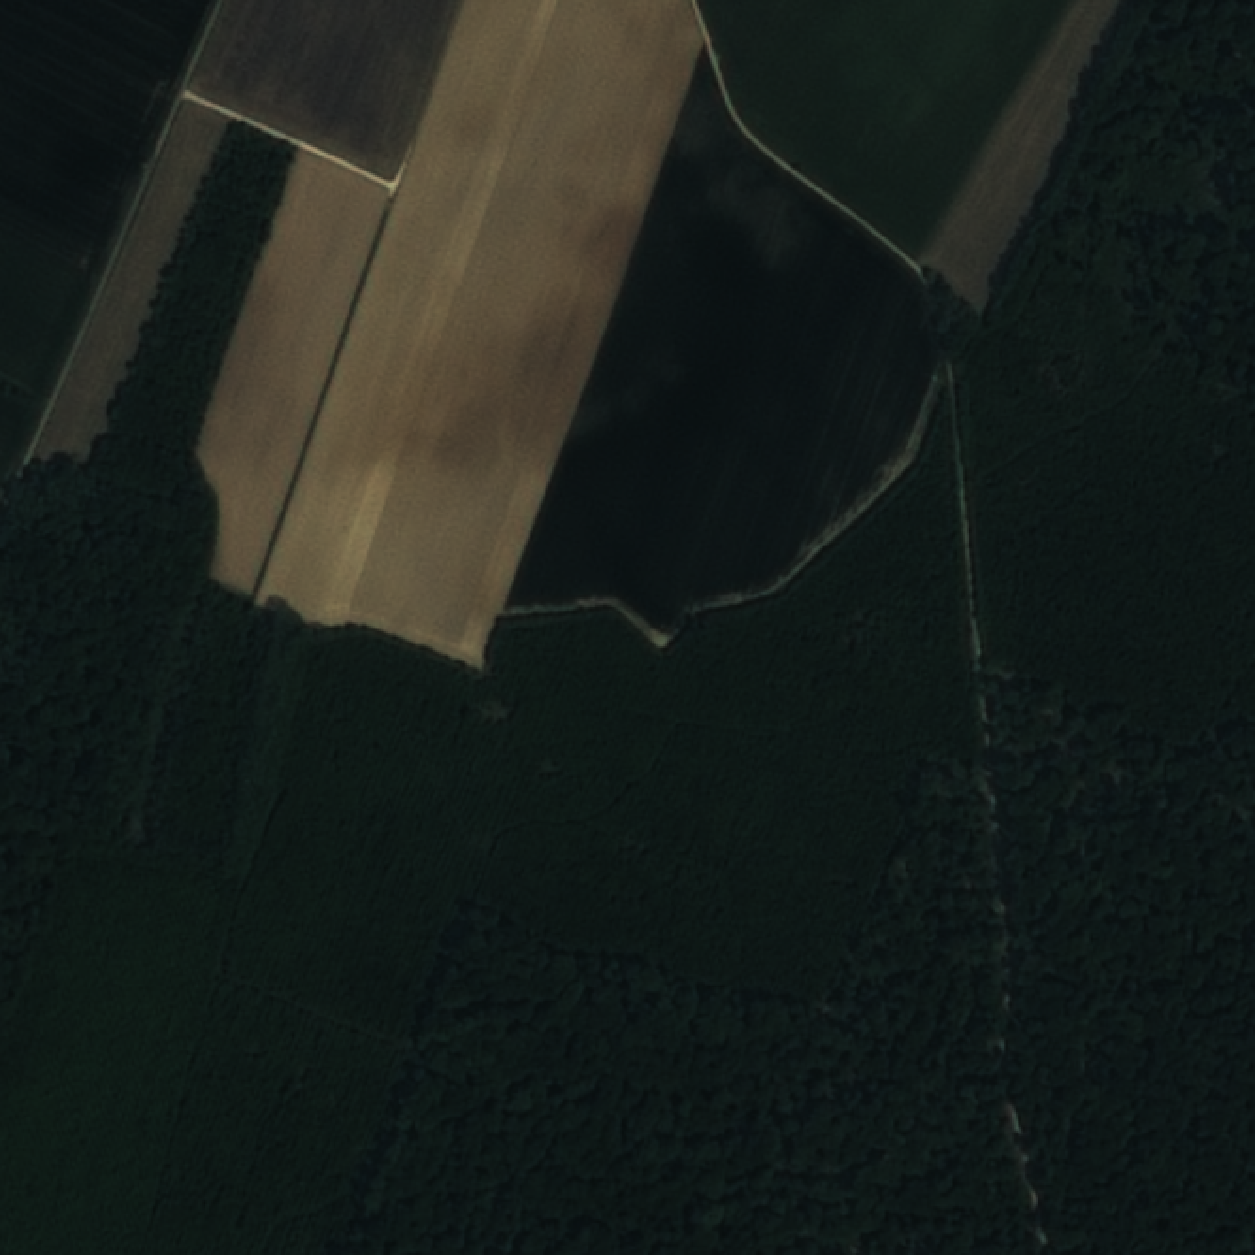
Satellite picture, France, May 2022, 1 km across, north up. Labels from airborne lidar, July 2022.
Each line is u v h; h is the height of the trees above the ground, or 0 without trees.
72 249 0
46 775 32
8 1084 8
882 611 7
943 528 8
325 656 6
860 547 10
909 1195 30
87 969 9
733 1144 27
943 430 8
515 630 7
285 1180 6
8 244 0
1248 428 10
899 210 0
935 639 10
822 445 0
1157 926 24
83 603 21
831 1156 20
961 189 0
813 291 0
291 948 6
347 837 7
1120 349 5
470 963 23
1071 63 0
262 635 13
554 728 8
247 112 0
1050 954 26
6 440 0
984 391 6
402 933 6
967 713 9
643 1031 27
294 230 0
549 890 9
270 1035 6
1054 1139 26
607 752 7
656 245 0
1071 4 0
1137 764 26
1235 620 8
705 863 10
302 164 0
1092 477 8
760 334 0
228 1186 9
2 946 28
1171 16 24
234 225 8
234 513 0
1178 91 13
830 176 0
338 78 0
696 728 9
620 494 0
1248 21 32
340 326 0
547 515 0
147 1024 8
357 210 0
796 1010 27
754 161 0
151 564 15
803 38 0
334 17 0
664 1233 24
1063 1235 27
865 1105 31
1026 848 28
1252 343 14
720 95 0
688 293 0
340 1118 10
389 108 0
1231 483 11
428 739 5
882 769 8
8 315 0
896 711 8
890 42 0
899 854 17
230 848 22
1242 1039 29
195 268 13
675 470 0
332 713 6
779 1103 23
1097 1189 26
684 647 10
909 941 17
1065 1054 28
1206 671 10
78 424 0
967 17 0
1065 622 12
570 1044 28
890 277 0
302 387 0
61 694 23
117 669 29
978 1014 16
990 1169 27
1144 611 12
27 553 28
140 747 18
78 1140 7
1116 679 10
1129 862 28
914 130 0
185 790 13
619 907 9
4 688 30
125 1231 7
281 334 0
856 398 0
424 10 0
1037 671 13
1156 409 6
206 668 14
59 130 0
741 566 0
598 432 0
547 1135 24
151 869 9
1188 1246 28
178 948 7
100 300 0
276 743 18
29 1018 8
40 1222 8
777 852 9
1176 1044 28
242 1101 10
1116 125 24
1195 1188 27
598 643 10
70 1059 7
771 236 0
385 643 7
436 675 7
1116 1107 24
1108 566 11
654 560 0
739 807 10
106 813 26
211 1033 8
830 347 0
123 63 0
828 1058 34
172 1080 9
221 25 0
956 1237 25
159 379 7
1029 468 6
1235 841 29
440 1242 33
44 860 27
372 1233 29
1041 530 9
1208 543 10
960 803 26
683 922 12
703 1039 27
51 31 0
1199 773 27
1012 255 12
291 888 8
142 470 15
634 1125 32
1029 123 0
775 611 9
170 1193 7
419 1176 18
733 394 0
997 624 9
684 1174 28
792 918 8
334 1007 8
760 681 7
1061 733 13
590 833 10
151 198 0
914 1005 21
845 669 11
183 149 0
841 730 9
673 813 9
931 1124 28
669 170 0
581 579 0
